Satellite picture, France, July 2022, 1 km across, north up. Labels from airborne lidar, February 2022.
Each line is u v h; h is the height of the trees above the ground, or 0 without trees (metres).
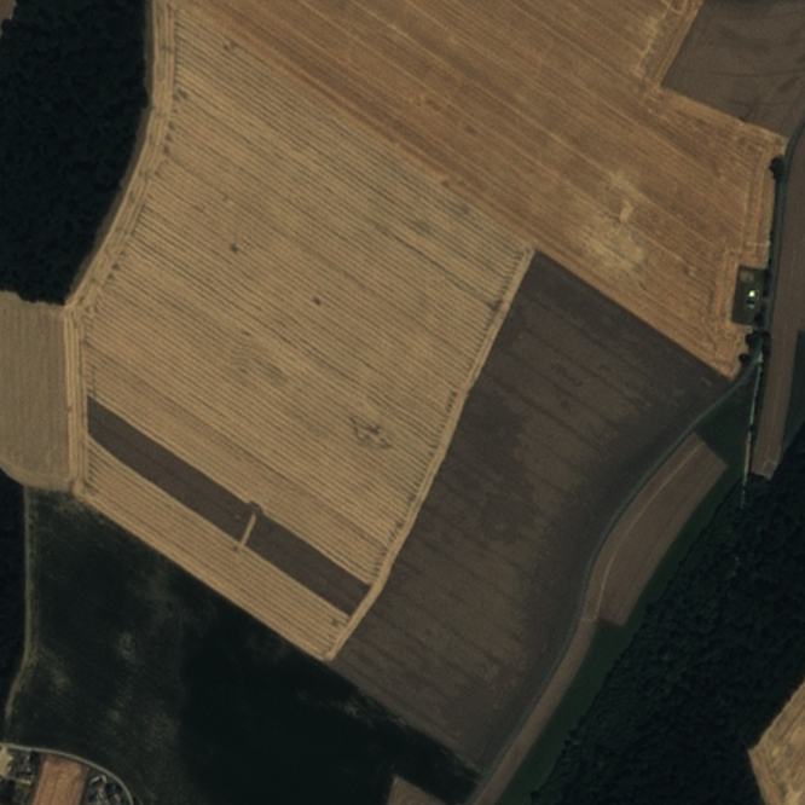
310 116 0
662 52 0
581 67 0
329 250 0
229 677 0
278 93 0
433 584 0
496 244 0
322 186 0
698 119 0
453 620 0
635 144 0
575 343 0
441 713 0
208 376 0
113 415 0
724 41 0
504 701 0
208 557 0
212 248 0
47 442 0
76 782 0
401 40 0
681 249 0
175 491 0
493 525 0
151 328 0
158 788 0
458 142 0
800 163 0
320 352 0
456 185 0
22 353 0
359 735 0
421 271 0
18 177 25
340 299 0
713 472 0
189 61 0
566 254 0
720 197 0
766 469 0
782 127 0
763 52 0
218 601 0
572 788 17
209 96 0
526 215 0
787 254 0
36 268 23
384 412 0
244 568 0
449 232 0
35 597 0
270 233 0
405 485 0
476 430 0
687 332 0
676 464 0
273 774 0
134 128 10
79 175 25
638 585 0
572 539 0
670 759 23
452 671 0
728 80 0
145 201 0
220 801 0
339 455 0
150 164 0
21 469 0
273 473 0
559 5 0
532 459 0
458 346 0
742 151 0
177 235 0
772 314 0
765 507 18
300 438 0
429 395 0
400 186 0
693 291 0
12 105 23
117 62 26
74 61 28
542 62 0
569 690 0
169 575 0
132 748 0
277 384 0
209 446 0
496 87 0
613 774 6
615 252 0
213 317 0
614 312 0
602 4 0
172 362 0
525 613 0
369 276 0
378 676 0
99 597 0
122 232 0
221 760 0
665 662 15
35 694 0
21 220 22
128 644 0
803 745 0
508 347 0
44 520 0
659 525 0
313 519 0
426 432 0
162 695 0
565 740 0
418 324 0
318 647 0
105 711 0
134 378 0
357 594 0
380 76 0
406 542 0
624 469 0
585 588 0
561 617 0
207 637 0
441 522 0
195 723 0
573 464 0
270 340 0
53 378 0
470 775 0
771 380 0
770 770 0
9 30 20
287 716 0
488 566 0
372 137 0
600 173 0
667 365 0
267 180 0
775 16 0
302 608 0
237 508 0
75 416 0
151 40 0
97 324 0
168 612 0
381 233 0
